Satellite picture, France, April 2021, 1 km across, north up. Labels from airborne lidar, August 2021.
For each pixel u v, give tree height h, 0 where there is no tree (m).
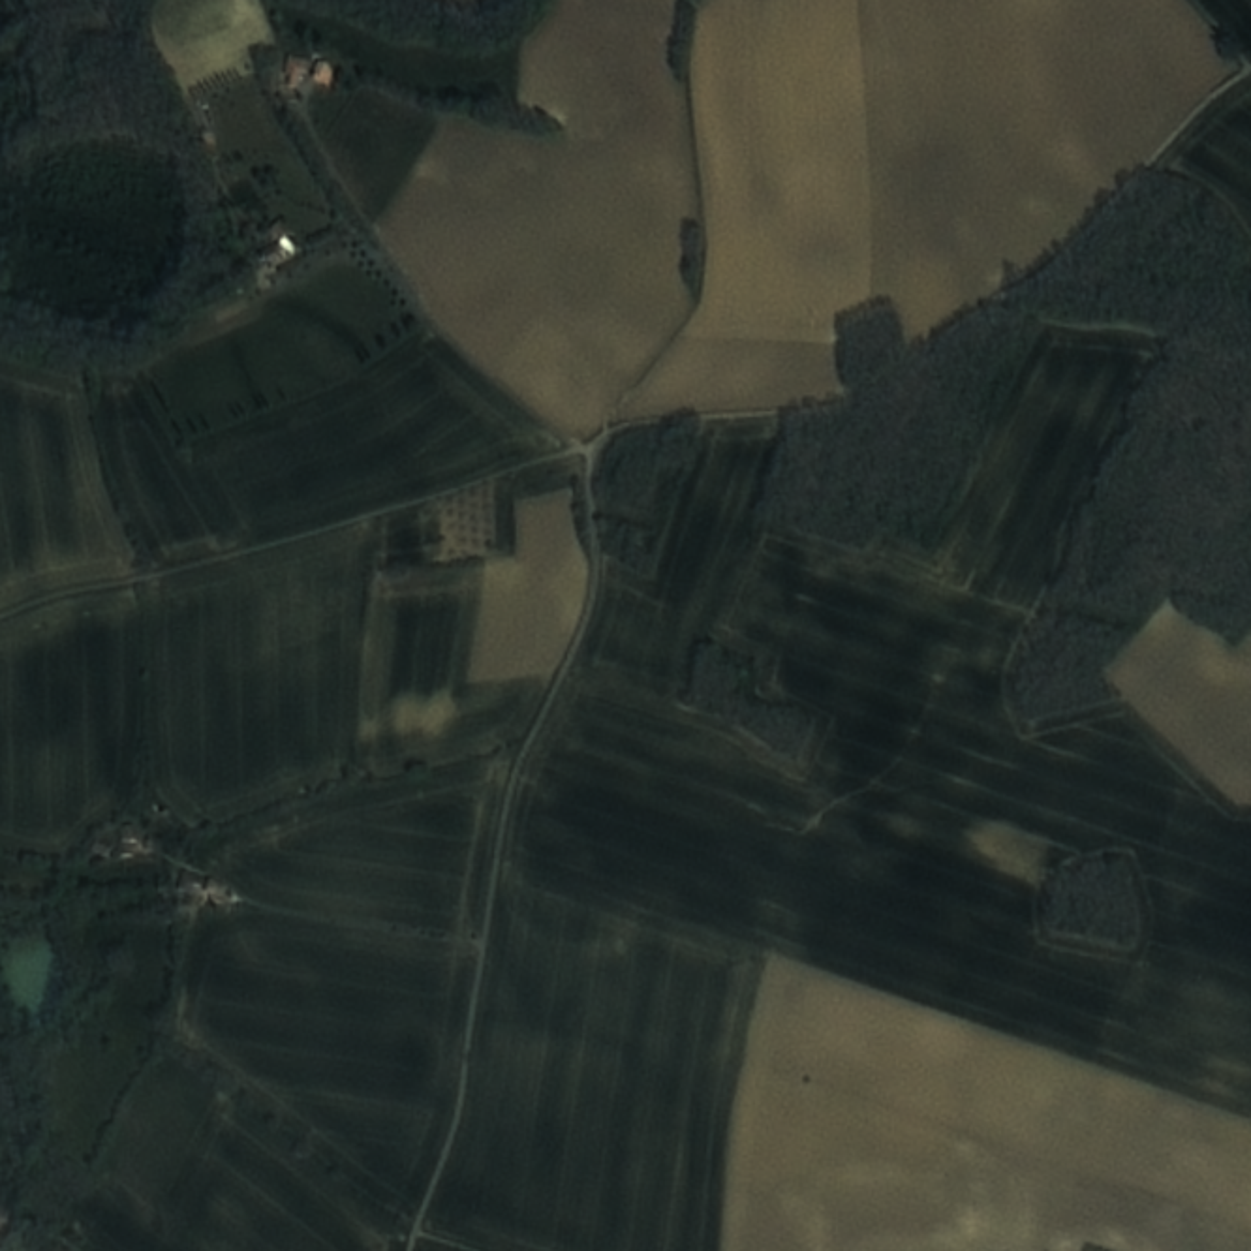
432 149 0
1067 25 0
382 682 0
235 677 0
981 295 0
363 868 0
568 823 0
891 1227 0
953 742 0
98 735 0
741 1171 0
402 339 16
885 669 0
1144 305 16
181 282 20
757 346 0
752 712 15
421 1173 0
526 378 0
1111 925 11
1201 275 16
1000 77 0
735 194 0
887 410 17
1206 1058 0
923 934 0
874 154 0
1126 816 0
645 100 0
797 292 0
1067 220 0
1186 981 0
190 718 0
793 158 0
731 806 0
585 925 0
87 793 0
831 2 0
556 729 0
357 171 0
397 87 13
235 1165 0
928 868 0
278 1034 0
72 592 0
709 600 0
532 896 0
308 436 0
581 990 0
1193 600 17
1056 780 0
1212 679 0
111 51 17
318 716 0
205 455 0
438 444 0
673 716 0
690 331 0
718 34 0
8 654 0
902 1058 0
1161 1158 0
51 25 19
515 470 0
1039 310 11
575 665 0
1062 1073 0
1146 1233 0
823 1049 0
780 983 0
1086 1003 0
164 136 20
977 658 0
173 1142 0
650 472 11
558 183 0
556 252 0
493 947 0
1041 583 0
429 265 0
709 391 0
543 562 0
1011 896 0
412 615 0
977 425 16
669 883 0
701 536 0
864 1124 0
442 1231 0
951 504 13
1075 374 0
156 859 9
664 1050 0
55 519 0
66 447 0
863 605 0
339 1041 0
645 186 0
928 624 0
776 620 0
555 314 0
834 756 0
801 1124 0
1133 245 18
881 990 0
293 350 0
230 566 0
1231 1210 0
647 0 0
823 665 0
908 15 0
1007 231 0
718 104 0
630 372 0
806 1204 0
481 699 0
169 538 0
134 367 18
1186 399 18
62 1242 7
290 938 0
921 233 0
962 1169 0
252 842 0
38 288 8
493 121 18
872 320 16
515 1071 0
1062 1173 0
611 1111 0
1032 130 0
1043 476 0
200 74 0
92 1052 0
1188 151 0
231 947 0
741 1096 0
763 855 0
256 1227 0
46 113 13
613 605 0
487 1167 0
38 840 0
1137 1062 0
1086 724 0
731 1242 0
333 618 0
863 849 0
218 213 15
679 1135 0
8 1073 16
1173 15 0
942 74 0
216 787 0
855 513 17
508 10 24
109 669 0
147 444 0
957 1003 0
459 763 0
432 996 0
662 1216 0
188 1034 0
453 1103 0
